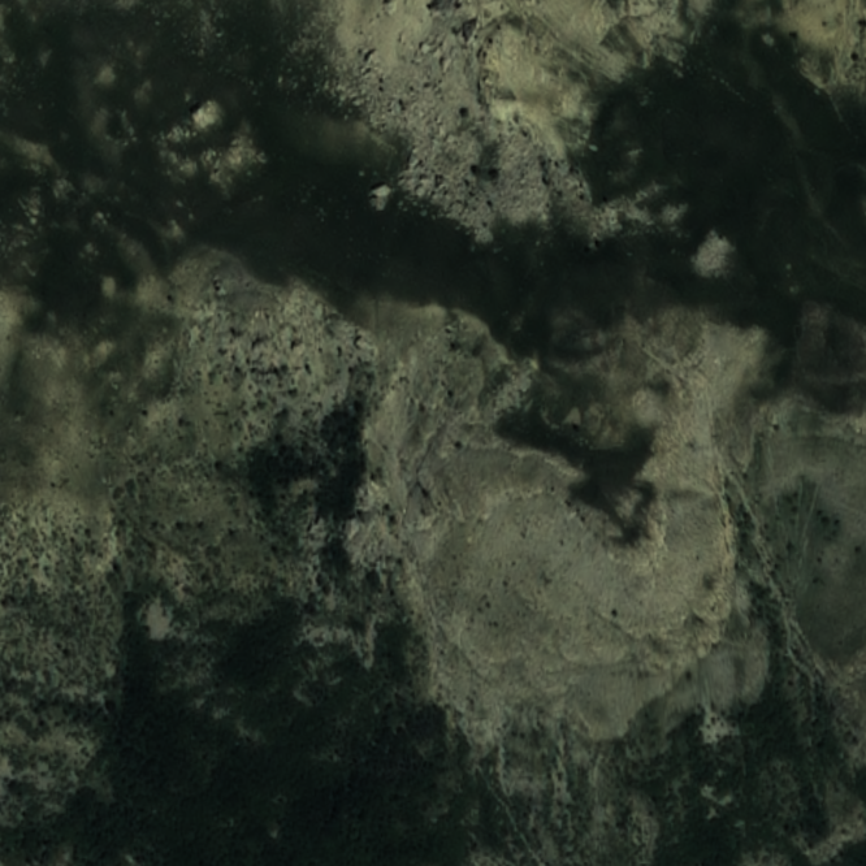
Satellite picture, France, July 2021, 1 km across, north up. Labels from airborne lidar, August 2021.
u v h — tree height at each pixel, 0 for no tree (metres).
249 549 0
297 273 0
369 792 13
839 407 0
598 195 0
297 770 14
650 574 0
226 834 11
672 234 0
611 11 0
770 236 0
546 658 0
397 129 0
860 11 0
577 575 0
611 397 0
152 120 0
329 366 0
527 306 0
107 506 0
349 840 12
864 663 0
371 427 0
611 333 0
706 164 0
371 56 0
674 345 0
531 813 5
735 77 0
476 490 0
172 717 12
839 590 0
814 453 0
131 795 8
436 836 10
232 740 8
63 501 0
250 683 9
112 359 0
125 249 0
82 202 0
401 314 0
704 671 0
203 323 0
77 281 0
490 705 0
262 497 10
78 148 0
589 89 0
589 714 0
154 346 0
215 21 0
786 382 0
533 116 0
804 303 0
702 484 0
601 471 0
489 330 0
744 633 0
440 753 6
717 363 0
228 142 0
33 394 0
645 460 0
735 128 0
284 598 6
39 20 0
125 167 0
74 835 7
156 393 0
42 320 0
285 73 0
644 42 0
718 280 0
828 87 0
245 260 0
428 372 0
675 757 5
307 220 0
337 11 0
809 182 0
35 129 0
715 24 0
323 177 0
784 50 0
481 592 0
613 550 0
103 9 0
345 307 0
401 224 0
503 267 0
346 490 12
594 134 0
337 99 0
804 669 6
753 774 6
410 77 0
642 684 0
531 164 0
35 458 0
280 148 0
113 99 0
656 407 0
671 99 0
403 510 0
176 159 0
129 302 0
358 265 0
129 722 11
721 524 0
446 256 0
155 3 0
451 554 0
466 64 0
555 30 0
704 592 0
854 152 0
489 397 0
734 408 0
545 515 0
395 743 10
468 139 0
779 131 0
